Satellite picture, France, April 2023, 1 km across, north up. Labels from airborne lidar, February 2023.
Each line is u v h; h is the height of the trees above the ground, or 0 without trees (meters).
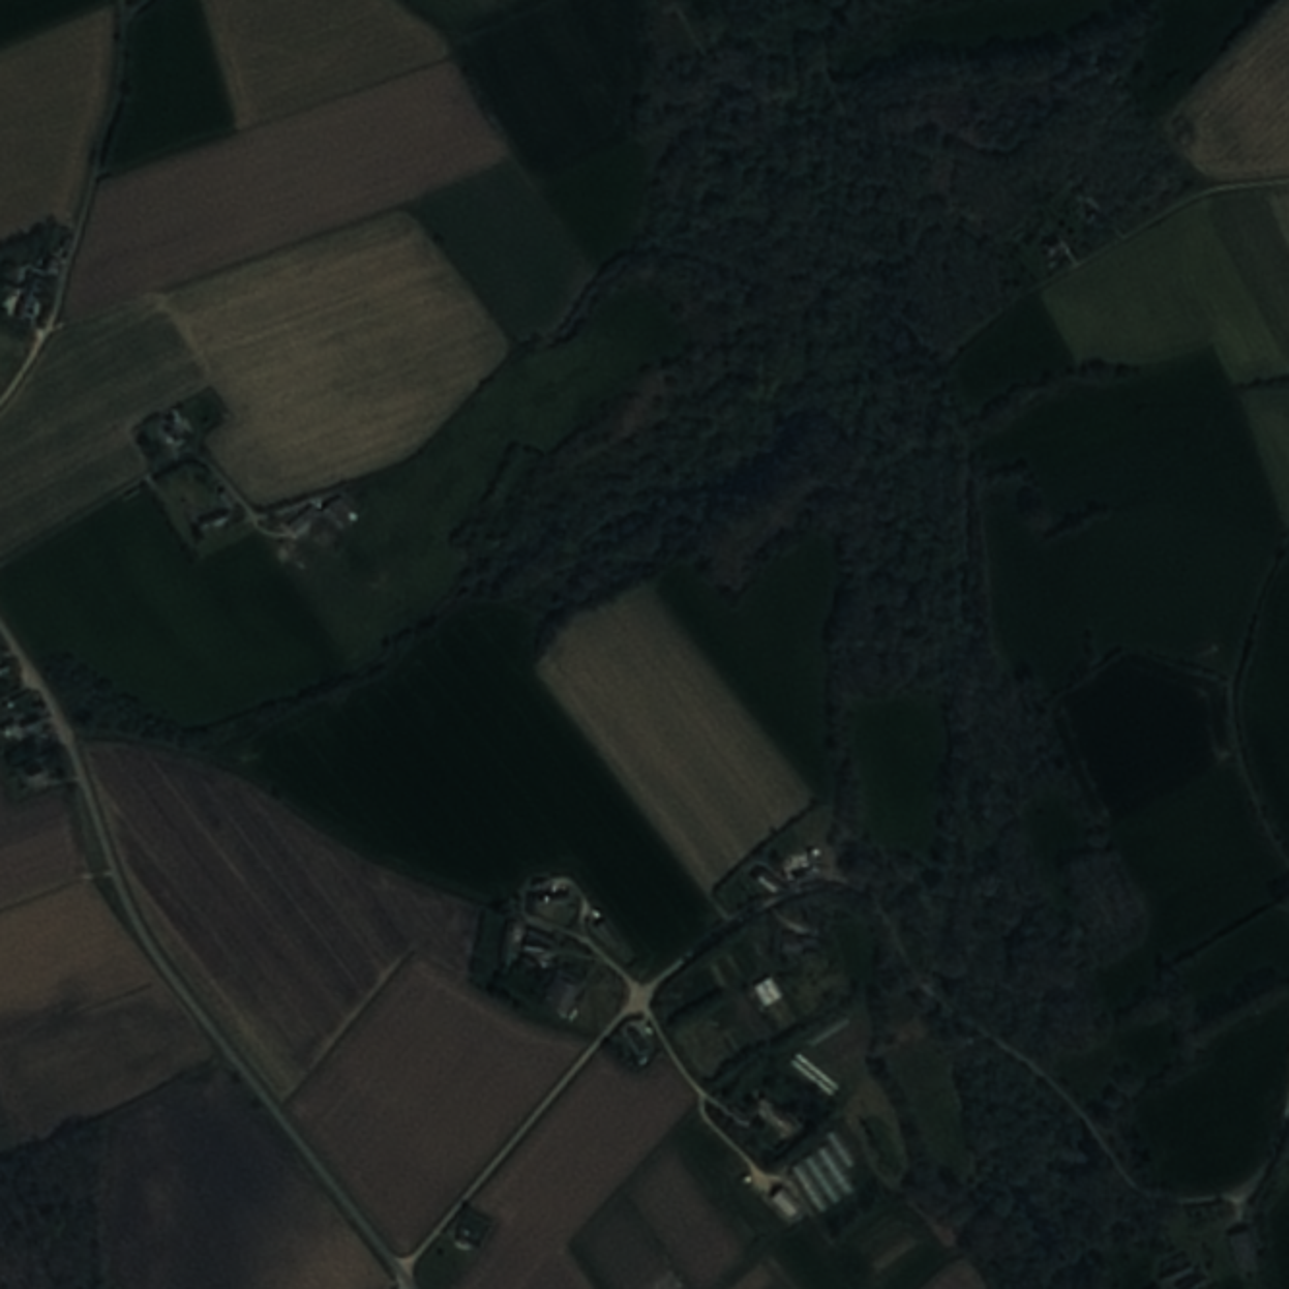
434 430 0
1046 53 14
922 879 0
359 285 0
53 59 0
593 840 0
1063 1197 10
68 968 0
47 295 9
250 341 0
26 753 7
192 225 0
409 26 0
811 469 16
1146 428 0
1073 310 0
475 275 0
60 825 0
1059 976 20
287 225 0
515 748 0
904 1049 0
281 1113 0
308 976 0
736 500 18
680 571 0
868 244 14
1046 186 6
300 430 0
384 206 0
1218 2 0
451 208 0
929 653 14
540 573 12
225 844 0
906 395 8
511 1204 0
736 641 0
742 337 6
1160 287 0
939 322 13
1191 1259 0
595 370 0
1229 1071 0
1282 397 0
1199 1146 0
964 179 11
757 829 0
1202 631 0
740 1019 0
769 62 9
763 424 7
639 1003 0
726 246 9
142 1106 0
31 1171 16
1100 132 6
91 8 0
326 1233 0
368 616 0
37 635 0
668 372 10
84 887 0
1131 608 0
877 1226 0
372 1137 0
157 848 0
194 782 0
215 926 0
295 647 0
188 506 0
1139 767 0
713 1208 0
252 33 0
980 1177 7
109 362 0
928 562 7
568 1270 0
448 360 0
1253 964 0
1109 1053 0
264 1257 0
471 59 0
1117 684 0
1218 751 0
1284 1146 13
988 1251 9
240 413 0
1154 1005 15
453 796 0
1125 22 21
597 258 0
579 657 0
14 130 0
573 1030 0
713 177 8
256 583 0
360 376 0
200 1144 0
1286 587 0
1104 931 16
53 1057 0
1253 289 0
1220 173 0
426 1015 0
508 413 0
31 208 0
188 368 0
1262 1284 0
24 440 0
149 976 0
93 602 0
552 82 0
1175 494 0
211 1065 0
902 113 9
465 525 7
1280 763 0
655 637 0
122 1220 0
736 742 0
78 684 8
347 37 0
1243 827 0
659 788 0
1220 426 0
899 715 0
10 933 0
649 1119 0
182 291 0
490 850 0
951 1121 0
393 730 0
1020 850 15
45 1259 16
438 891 0
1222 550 0
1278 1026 0
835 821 12
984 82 15
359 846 0
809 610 0
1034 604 0
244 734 0
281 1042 0
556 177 0
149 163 0
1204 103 0
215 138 0
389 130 0
